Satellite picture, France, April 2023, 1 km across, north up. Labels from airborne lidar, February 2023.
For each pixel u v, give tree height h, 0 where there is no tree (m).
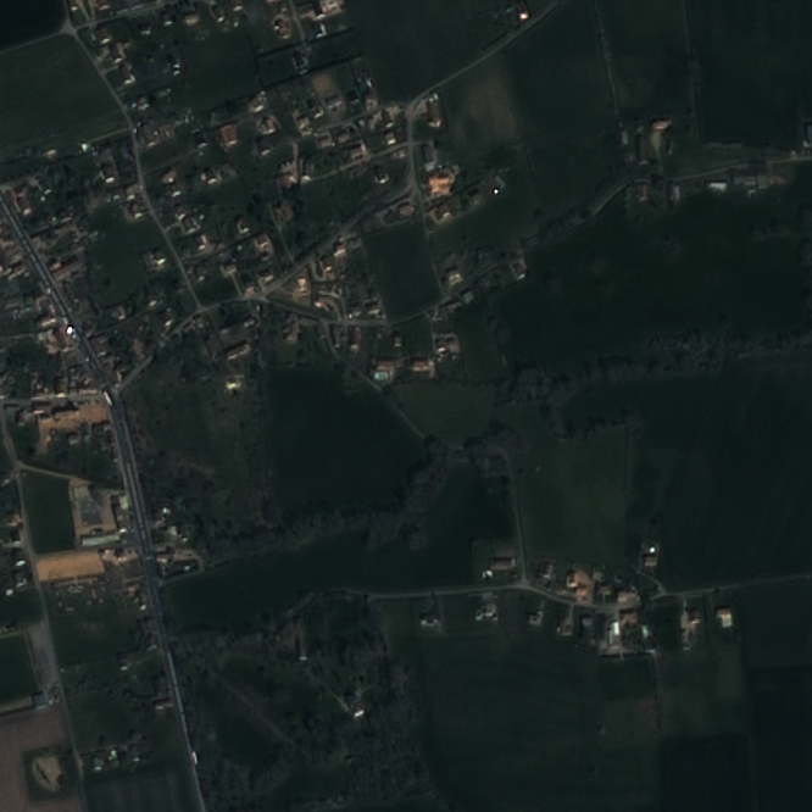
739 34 0
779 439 0
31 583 9
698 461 0
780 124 0
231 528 14
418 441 0
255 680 0
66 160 6
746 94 0
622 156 0
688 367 21
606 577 0
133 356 10
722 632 0
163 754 0
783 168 0
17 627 9
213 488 14
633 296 0
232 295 0
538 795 0
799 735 0
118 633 0
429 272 0
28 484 0
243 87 0
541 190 0
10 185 0
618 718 0
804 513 0
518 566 0
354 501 0
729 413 0
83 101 0
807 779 0
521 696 0
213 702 0
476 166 0
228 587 0
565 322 0
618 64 0
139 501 0
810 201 0
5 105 0
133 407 8
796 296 0
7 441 0
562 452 0
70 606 0
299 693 0
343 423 0
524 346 0
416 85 0
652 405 0
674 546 0
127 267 0
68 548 0
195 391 0
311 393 0
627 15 0
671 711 0
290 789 0
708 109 0
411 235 0
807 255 18
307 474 0
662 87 0
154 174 0
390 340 0
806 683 0
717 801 0
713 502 0
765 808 0
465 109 0
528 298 0
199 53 0
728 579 0
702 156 0
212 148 0
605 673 0
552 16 0
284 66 0
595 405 0
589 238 0
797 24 0
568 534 0
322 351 13
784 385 0
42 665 0
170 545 0
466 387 7
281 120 0
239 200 0
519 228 0
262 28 0
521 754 0
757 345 16
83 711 0
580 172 0
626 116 0
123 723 0
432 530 0
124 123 0
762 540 0
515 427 0
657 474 0
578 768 0
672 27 0
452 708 0
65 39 0
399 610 0
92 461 0
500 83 0
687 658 0
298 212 9
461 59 0
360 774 18
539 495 0
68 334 0
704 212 0
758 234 15
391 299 0
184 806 0
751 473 0
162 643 0
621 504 0
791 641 0
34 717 0
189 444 0
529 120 0
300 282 0
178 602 0
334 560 0
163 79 0
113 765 8
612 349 0
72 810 0
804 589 0
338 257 0
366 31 0
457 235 0
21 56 0
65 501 0
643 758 0
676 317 0
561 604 0
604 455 0
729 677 0
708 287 0
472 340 0
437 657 0
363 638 0
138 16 0
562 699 0
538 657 0
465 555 0
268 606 0
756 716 0
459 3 0
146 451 0
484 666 0
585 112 0
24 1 0
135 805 0
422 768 9
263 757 0
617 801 0
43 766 0
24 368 6
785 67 0
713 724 0
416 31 0
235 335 22
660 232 0
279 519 19
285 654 6
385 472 0
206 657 24
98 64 0
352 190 0
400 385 8
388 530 25
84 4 0
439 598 0
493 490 0
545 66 0
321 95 0
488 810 0
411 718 20
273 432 0
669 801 0
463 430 0
